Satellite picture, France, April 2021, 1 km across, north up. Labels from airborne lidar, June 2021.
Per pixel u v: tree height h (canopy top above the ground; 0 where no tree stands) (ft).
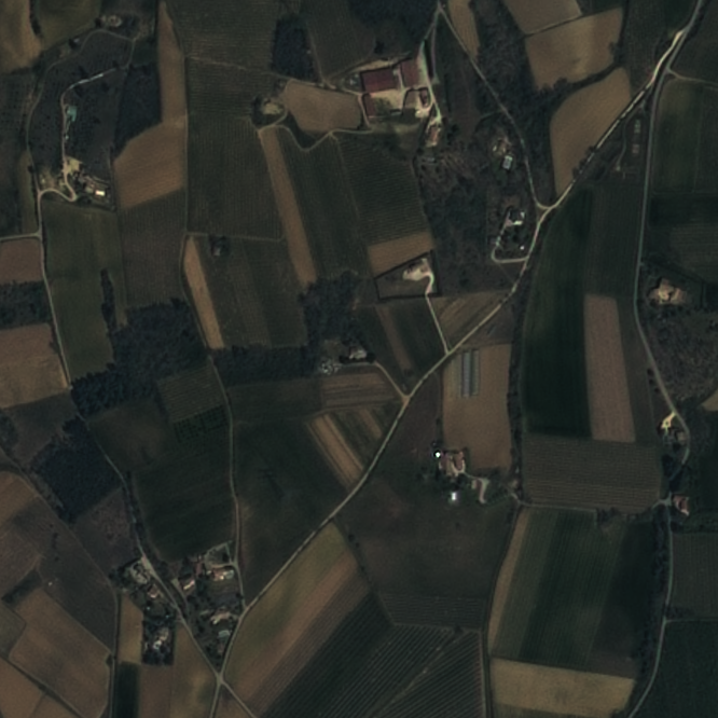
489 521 0
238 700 0
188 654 0
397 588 0
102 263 0
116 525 19
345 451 0
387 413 0
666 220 0
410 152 0
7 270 0
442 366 0
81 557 0
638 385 0
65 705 0
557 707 0
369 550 0
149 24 0
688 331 23
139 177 0
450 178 57
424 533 0
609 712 0
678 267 0
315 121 0
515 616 0
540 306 0
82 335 0
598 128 0
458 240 0
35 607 0
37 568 0
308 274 0
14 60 0
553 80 0
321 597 0
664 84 0
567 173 0
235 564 0
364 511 0
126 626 0
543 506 0
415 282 0
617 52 43
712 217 0
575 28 0
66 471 52
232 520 0
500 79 19
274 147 0
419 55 0
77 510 50
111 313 41
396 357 0
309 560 0
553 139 0
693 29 19
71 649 0
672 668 20
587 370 0
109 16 0
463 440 0
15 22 0
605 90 0
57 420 0
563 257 0
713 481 0
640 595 0
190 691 0
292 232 0
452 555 0
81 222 0
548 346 0
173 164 0
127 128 35
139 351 34
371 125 0
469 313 0
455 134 34
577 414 0
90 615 0
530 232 28
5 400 0
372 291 0
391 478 0
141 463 0
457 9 0
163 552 0
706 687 19
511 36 37
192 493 0
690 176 0
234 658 0
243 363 28
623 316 0
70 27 0
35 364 0
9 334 0
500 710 0
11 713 0
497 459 0
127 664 0
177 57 0
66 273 0
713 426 39
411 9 64
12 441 34
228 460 0
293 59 56
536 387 0
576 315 0
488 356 0
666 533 42
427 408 0
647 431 0
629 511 0
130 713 0
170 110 0
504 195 34
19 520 0
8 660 0
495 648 0
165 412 45
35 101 0
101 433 0
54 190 0
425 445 0
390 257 0
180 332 37
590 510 0
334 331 34
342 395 0
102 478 39
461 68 0
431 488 0
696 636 20
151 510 0
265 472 0
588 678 0
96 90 0
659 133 0
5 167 0
